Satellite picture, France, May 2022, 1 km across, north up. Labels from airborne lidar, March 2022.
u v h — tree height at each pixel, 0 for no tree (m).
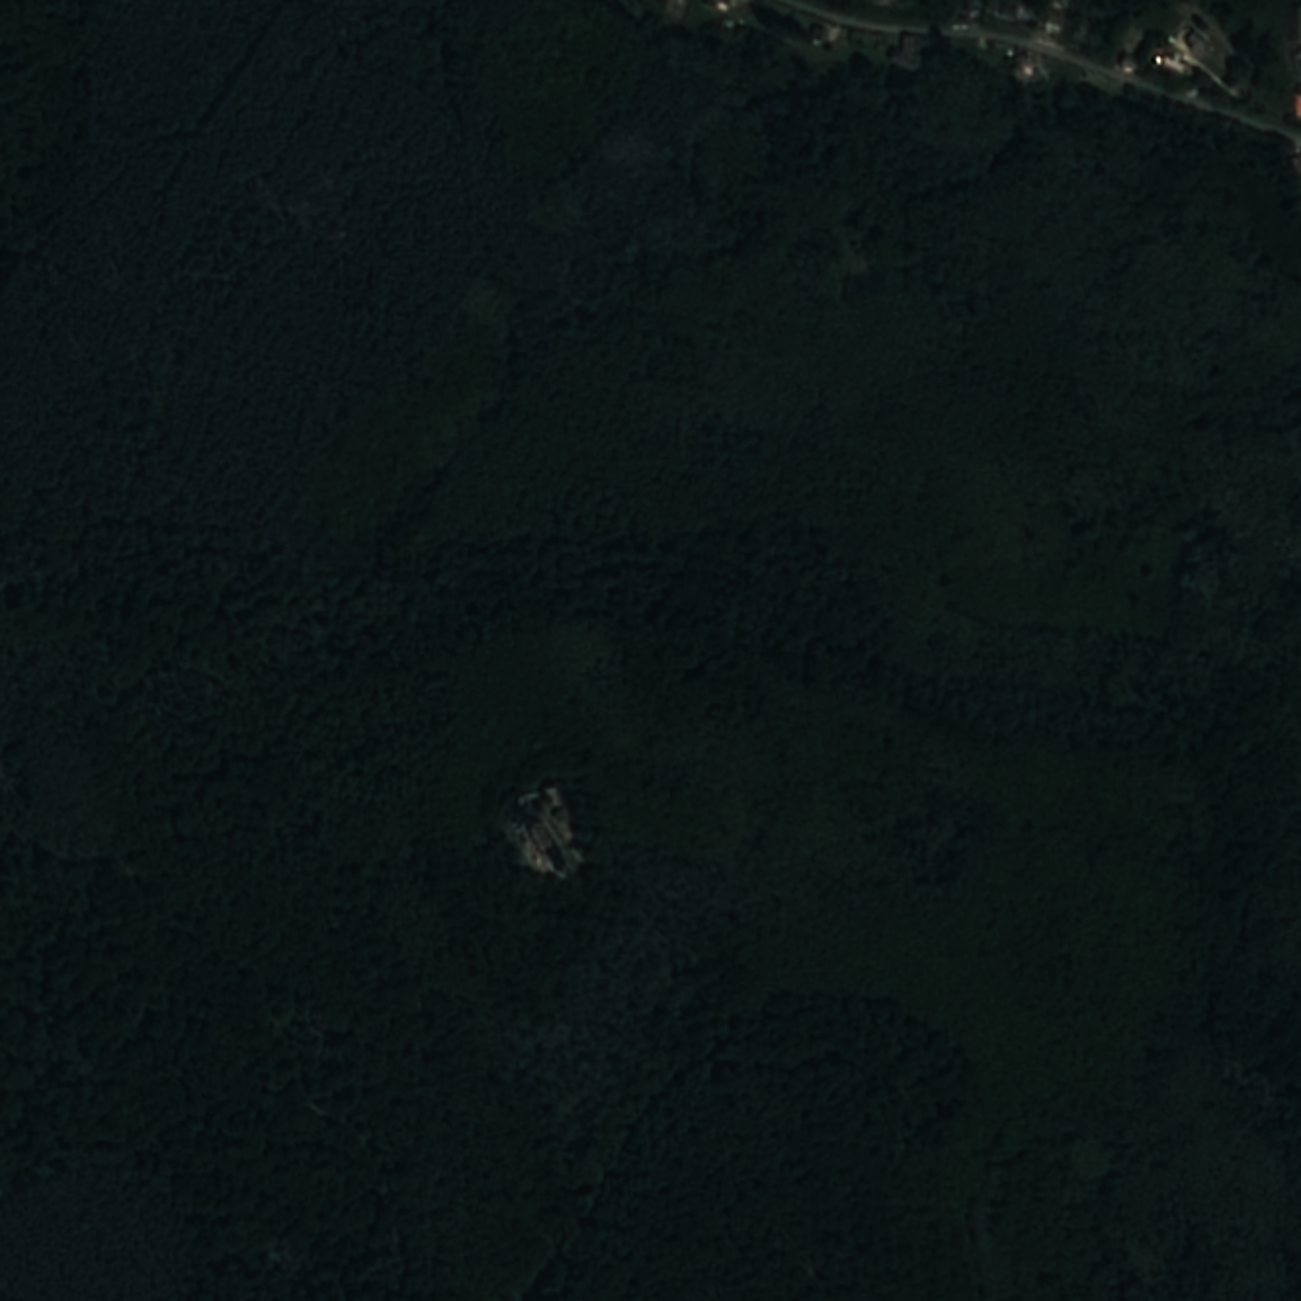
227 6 21
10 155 28
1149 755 20
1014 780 17
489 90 17
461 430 29
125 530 25
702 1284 23
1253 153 22
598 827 22
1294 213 21
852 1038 24
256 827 23
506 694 18
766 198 19
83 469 24
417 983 21
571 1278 26
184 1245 28
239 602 29
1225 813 18
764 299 26
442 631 25
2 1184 19
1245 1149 22
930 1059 28
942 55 26
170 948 27
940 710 24
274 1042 24
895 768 23
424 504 25
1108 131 25
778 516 19
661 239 22
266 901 20
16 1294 23
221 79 13
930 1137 24
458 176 26
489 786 19
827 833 26
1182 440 20
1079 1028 18
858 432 19
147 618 25
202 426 24
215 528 27
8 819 24
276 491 29
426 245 27
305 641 26
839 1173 19
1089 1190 28
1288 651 16
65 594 25
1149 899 17
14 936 28
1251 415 27
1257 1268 22
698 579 23
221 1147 26
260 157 26
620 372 25
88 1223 27
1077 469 21
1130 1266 9
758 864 25
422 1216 13
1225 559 24
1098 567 10
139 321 27
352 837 22
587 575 26
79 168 27
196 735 22
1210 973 25
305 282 28
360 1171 25
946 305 24
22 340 28
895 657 20
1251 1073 19
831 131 25
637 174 22
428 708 15
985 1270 28
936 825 20
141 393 21
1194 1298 22
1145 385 16
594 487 25
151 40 18
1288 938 24
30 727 22
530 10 22
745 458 26
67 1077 26
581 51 15
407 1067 19
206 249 23
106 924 28
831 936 20
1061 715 19
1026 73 0
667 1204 22
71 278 26
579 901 19
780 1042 27
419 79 15
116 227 28
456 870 21
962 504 20
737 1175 25
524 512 25
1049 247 23
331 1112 18
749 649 20
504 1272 26
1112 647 19
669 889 27
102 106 23
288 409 24
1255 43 16
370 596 32
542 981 20
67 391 29
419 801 17
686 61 27
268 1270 34
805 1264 22
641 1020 24
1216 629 19
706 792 21
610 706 24
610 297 18
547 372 25
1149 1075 24
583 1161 32
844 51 0
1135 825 26
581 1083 35
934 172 26
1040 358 16
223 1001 28
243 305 23
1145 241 26
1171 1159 21
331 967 23
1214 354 23
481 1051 18
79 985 25
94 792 19
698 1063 20
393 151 30
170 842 24
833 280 28
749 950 22
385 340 27
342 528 21
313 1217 25
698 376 27
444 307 25
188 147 27
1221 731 23
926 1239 14
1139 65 10
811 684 23
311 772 18
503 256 18
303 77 31
